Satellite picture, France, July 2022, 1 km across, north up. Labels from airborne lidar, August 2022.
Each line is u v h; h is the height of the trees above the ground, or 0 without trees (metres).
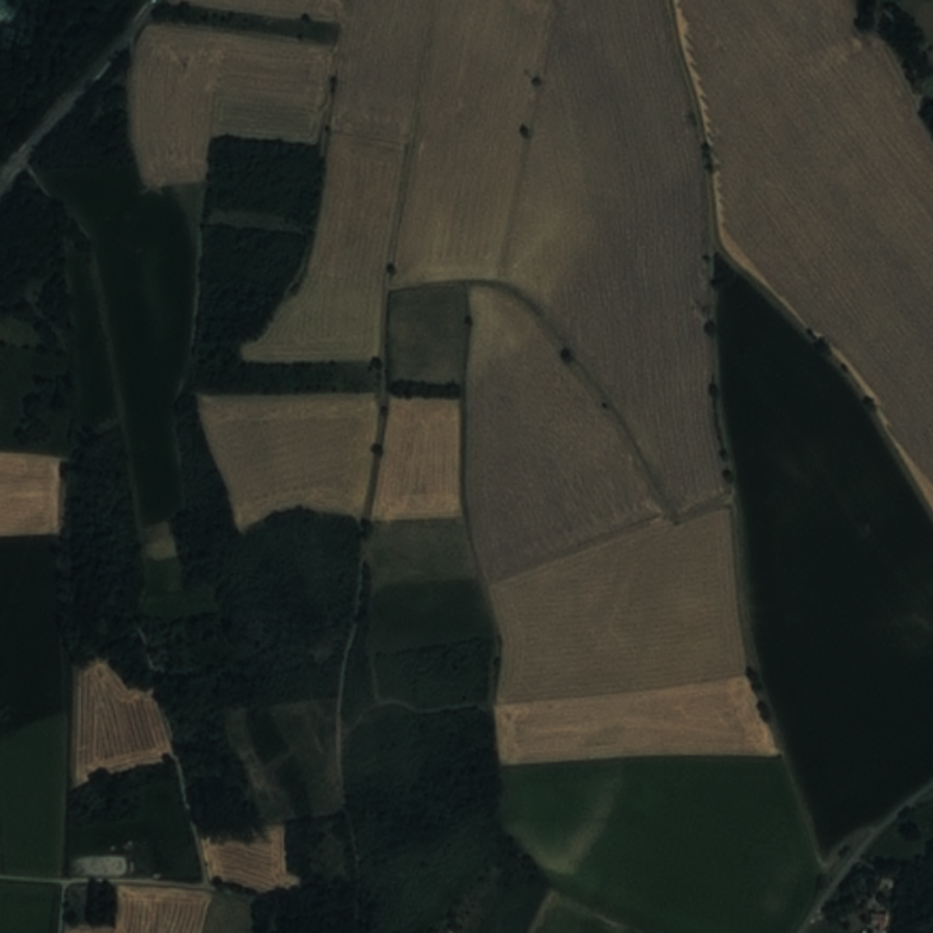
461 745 11
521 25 0
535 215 0
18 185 14
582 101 0
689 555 0
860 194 0
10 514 0
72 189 0
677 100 0
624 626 0
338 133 0
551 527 0
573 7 0
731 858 0
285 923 21
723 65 0
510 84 0
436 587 0
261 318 13
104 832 0
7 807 0
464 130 0
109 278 0
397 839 10
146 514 0
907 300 0
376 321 0
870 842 0
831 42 0
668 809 0
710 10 0
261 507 0
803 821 0
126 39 0
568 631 0
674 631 0
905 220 0
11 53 15
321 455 0
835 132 0
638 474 0
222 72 0
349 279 0
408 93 0
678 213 0
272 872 0
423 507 0
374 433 0
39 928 0
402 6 0
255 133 0
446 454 0
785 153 0
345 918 19
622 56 0
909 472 0
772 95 0
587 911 0
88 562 17
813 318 0
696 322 0
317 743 0
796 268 0
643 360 0
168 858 0
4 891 0
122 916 0
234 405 0
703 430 0
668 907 0
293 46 0
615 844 0
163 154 0
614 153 0
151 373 0
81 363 0
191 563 13
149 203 0
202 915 0
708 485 0
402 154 0
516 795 0
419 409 0
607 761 0
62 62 20
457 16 0
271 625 10
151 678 16
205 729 14
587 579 0
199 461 6
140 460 0
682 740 0
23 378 0
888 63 0
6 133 22
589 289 0
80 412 0
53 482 0
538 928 0
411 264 0
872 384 0
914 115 0
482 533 0
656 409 0
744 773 0
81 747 0
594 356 0
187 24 8
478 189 0
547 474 0
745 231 0
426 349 0
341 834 9
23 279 25
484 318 0
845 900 13
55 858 0
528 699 0
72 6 23
